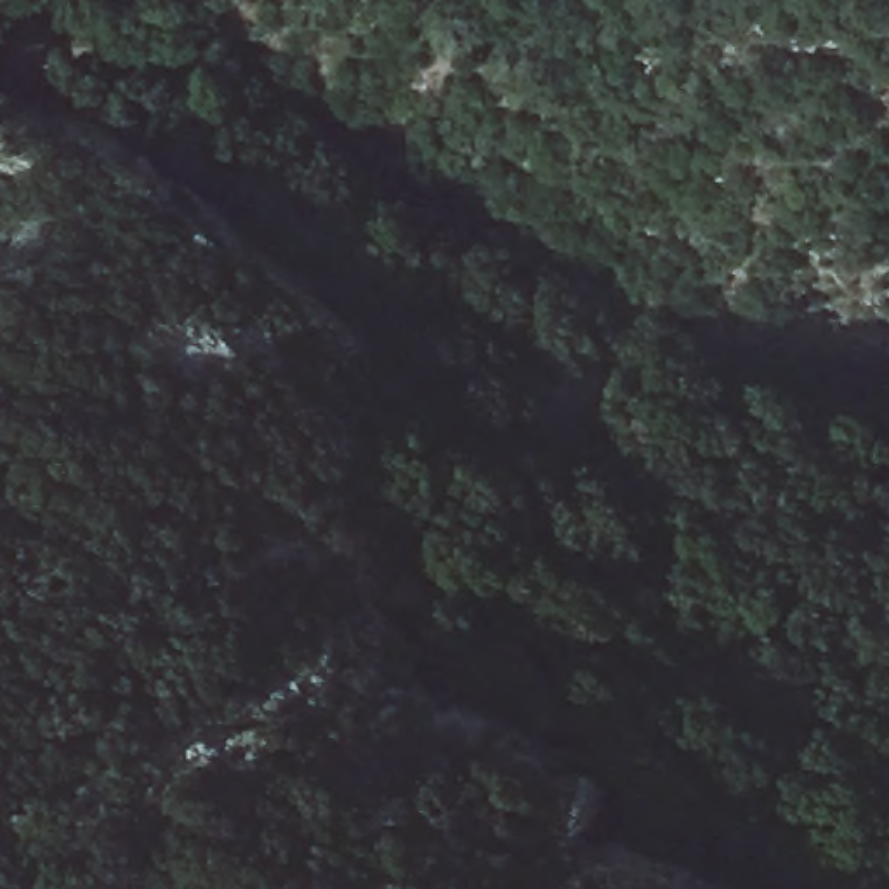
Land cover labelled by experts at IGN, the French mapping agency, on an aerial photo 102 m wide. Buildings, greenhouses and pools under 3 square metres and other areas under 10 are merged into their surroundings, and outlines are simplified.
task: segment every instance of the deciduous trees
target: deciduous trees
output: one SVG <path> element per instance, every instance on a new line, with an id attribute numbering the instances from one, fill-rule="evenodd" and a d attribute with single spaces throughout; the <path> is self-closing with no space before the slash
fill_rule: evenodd
<path id="1" fill-rule="evenodd" d="M 889 889 L 889 0 L 0 0 L 0 889 Z"/>

